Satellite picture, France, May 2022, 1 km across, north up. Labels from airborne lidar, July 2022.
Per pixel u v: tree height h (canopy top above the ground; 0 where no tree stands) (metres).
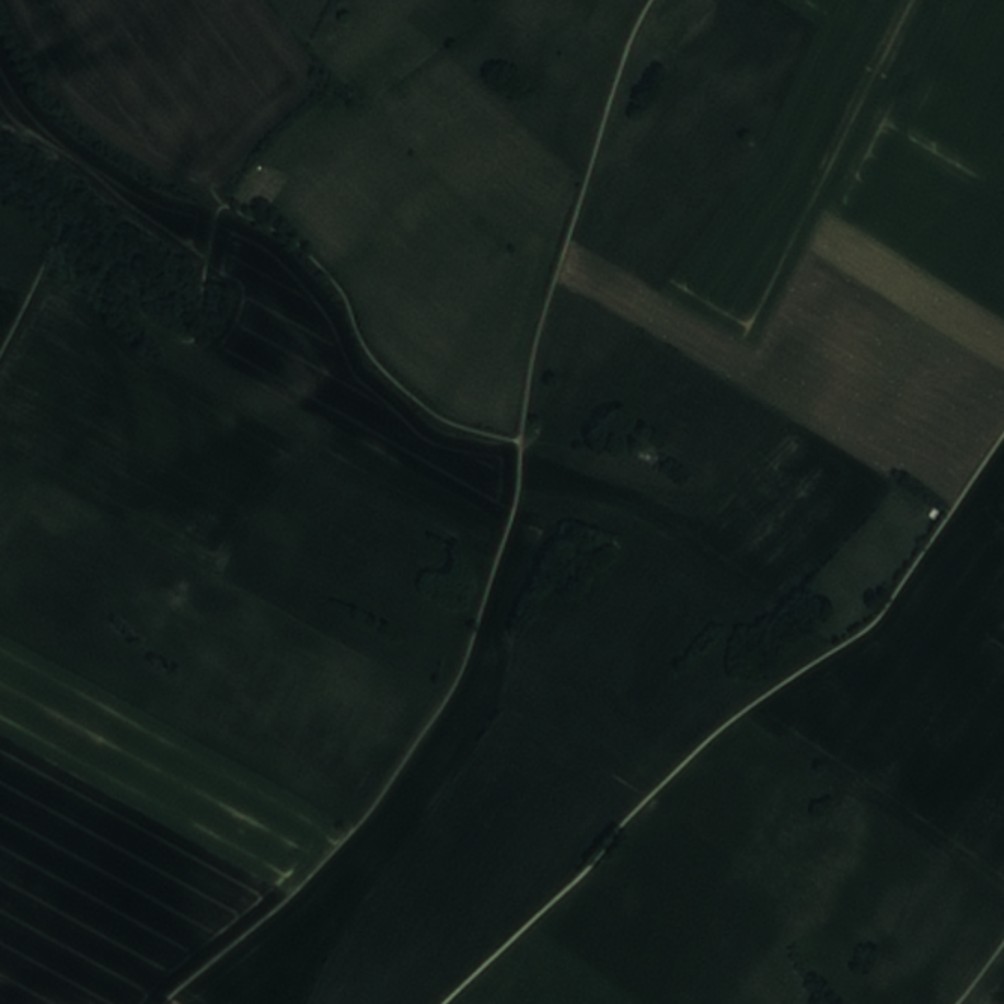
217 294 15
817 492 0
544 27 0
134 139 0
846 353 0
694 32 0
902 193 0
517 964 0
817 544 0
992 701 0
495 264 0
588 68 0
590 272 0
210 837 0
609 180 0
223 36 0
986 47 0
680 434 0
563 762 0
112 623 11
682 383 0
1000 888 0
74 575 0
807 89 0
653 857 0
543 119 0
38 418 0
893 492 0
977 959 0
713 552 0
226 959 0
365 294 0
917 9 0
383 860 0
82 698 0
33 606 0
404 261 0
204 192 0
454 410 0
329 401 0
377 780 0
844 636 6
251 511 0
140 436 0
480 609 0
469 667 0
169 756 0
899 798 0
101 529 0
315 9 0
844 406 0
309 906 0
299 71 0
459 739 0
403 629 0
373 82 0
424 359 0
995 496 0
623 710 0
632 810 0
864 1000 0
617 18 0
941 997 0
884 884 0
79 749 0
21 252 0
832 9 0
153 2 0
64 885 0
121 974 0
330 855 0
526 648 0
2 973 0
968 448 0
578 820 0
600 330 0
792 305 0
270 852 0
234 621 0
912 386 0
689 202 0
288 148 0
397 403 0
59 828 0
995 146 0
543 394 0
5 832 0
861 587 0
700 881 0
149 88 0
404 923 0
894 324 0
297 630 0
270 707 0
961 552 0
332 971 0
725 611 0
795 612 15
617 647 0
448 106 0
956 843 0
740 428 0
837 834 0
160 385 0
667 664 0
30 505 0
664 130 0
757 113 0
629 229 0
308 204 0
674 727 0
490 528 0
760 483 0
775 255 0
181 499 0
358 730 0
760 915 0
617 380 0
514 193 0
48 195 16
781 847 0
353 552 0
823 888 0
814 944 0
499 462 0
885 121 0
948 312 0
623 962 0
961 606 0
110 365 0
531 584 14
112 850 0
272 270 0
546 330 0
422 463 0
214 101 0
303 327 0
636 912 0
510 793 0
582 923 0
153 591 0
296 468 0
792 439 0
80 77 0
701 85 0
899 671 0
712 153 0
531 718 0
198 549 0
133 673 0
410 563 0
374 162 0
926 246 0
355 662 0
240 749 0
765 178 0
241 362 0
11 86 0
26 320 0
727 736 0
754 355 0
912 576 0
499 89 13
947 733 0
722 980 0
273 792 0
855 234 0
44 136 0
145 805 0
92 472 0
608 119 0
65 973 0
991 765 0
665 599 0
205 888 0
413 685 0
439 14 0
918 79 0
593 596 0
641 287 0
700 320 0
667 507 0
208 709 0
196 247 0
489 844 0
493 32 0
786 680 0
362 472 0
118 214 15
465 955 0
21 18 0
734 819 0
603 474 0
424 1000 0
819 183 0
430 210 0
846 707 0
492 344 0
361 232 0
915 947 0
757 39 0
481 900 0
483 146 0
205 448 0
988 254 0
